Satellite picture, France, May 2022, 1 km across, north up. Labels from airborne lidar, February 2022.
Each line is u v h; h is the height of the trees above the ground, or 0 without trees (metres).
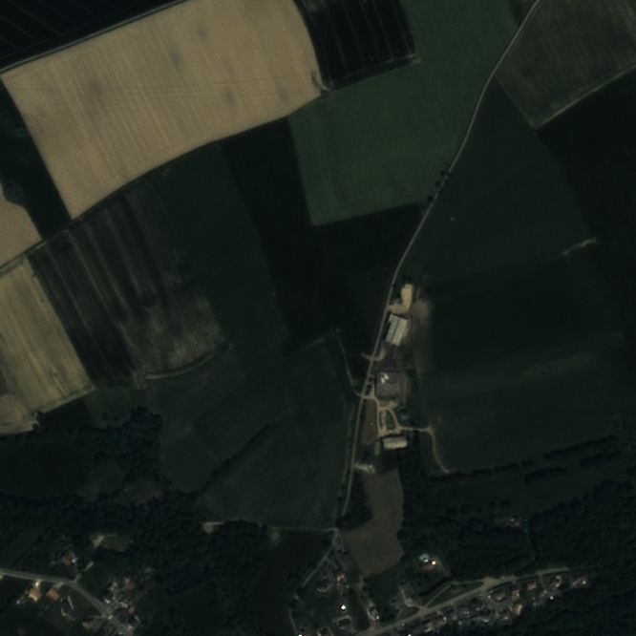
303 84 0
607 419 0
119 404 0
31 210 0
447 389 0
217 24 0
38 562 0
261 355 0
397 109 0
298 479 0
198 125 0
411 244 0
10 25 0
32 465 0
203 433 0
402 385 0
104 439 22
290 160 0
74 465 0
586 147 0
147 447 26
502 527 0
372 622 0
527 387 0
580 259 0
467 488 0
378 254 0
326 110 0
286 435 0
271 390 0
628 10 0
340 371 0
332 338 0
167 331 0
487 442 0
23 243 0
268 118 0
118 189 0
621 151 0
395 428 0
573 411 0
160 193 0
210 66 0
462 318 0
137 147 0
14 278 0
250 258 0
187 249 0
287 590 0
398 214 0
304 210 0
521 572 20
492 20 0
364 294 0
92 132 0
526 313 0
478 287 0
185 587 22
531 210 0
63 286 0
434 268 0
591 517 16
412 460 15
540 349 0
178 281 0
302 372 0
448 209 0
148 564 24
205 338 0
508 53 0
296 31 0
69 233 0
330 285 0
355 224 0
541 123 0
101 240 0
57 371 0
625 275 0
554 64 0
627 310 0
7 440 7
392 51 0
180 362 0
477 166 0
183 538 23
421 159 0
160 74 0
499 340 0
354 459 0
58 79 0
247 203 0
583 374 0
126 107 0
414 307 0
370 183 0
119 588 0
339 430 0
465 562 13
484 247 0
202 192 0
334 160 0
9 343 0
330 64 0
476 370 0
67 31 0
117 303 0
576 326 0
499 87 0
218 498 0
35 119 0
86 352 0
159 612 0
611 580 16
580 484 0
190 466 0
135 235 0
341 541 0
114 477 0
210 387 0
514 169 0
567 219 0
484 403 0
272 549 0
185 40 0
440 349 0
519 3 0
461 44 0
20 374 0
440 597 0
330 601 0
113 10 0
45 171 0
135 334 0
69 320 0
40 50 0
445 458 0
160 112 0
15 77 0
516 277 0
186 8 0
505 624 0
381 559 0
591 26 0
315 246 0
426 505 27
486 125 0
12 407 0
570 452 13
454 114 0
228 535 20
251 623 17
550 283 0
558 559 20
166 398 0
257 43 0
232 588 20
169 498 22
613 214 0
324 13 0
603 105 0
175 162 0
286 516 0
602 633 28
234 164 0
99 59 0
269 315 0
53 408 0
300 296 0
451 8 0
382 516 0
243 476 0
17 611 0
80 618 0
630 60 0
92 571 0
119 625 0
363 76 0
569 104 0
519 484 0
